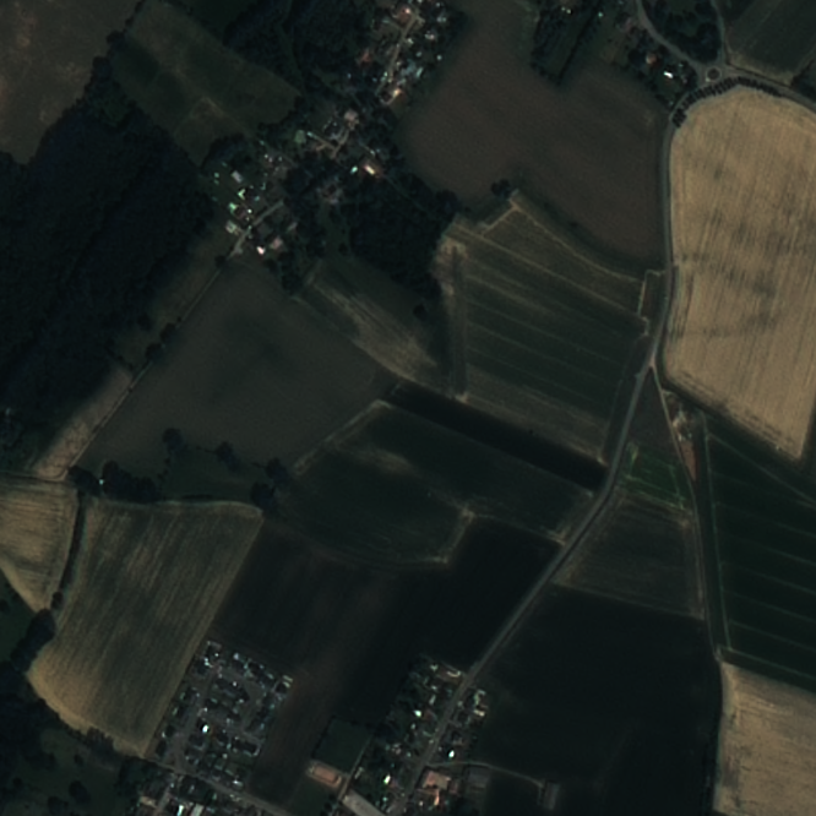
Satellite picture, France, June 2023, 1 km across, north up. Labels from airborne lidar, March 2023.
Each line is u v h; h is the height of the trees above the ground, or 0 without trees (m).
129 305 27
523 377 0
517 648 0
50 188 38
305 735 0
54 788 0
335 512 0
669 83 0
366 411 0
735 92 0
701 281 0
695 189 0
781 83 0
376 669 0
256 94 0
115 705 0
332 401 0
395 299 0
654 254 0
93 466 0
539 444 0
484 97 0
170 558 0
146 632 0
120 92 11
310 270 0
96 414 0
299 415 0
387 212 18
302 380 0
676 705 0
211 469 0
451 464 0
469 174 0
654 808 0
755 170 0
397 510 0
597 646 0
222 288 0
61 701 0
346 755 0
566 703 0
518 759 0
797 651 0
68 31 0
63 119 0
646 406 0
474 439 0
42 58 0
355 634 0
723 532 0
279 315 0
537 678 0
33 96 0
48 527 0
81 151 37
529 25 0
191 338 0
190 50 0
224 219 0
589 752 0
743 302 0
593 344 0
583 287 0
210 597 0
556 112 0
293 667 0
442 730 0
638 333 0
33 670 0
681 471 0
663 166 0
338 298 0
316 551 0
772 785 0
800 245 0
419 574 0
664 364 0
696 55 13
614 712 0
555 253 0
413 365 0
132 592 0
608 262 0
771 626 0
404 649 0
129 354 0
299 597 0
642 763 0
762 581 0
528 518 0
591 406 0
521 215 0
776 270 0
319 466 0
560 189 0
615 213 0
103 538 0
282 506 0
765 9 0
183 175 23
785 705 0
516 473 0
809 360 0
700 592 0
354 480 0
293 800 0
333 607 0
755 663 0
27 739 37
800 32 0
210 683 0
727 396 0
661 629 0
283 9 20
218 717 0
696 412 0
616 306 0
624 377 0
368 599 0
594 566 0
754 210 0
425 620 0
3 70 0
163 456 0
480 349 0
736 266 0
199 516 0
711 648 0
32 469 0
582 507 0
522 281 0
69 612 0
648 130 0
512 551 0
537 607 0
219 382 0
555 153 0
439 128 0
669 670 0
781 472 0
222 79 0
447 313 0
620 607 0
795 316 0
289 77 6
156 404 0
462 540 0
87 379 14
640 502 0
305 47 12
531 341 0
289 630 0
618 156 0
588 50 0
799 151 0
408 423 0
